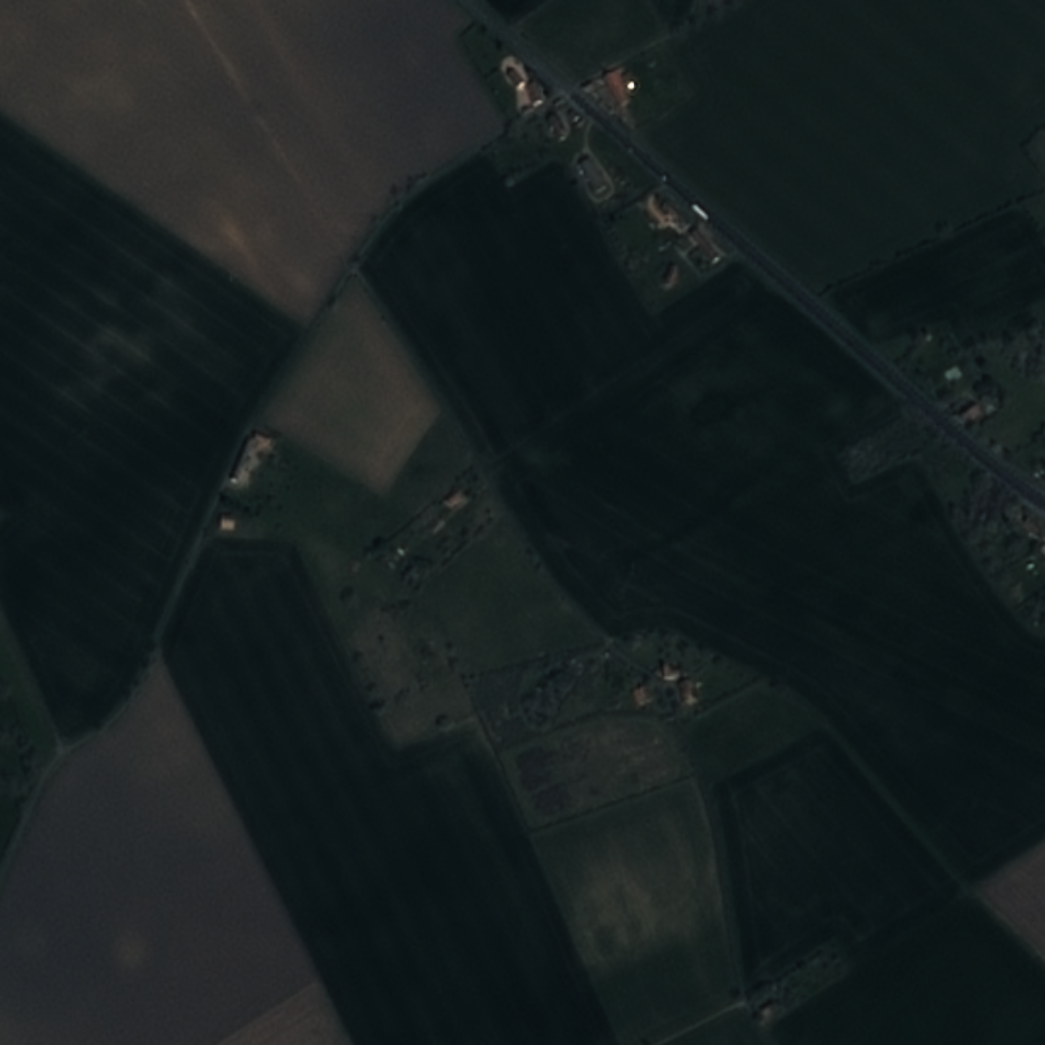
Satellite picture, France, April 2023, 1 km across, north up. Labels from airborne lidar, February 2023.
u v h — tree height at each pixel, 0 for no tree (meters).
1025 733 0
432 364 0
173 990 0
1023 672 0
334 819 0
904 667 0
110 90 0
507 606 0
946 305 0
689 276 0
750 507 0
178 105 0
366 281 0
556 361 0
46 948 0
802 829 0
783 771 0
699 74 0
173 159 0
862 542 0
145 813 0
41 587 0
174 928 0
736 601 0
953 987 0
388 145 0
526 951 0
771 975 0
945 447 16
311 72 0
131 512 0
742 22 0
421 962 0
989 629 0
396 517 0
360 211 0
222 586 0
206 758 0
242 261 0
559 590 0
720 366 0
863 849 0
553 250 0
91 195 0
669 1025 0
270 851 0
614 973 0
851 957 0
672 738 0
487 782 0
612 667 6
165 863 0
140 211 0
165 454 0
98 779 0
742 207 0
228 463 0
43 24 0
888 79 0
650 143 0
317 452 0
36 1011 0
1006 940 0
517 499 0
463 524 0
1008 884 0
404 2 0
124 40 0
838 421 0
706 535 0
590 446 0
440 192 0
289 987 0
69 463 0
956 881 0
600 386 0
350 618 0
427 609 0
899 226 0
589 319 0
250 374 0
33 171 0
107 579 0
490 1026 0
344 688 0
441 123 0
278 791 0
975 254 0
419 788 0
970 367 19
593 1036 0
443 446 0
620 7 0
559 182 0
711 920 0
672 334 0
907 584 0
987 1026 0
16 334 0
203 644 0
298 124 0
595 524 0
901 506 0
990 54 0
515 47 0
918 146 0
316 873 0
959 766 0
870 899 0
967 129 0
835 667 0
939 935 0
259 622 0
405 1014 0
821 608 0
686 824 0
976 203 0
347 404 0
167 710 0
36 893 0
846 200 0
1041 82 0
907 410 13
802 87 0
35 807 0
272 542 0
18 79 0
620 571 0
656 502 0
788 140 0
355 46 0
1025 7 0
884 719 0
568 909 0
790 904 0
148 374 0
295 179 0
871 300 0
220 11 0
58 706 0
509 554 0
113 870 0
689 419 0
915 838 0
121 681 0
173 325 0
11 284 0
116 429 0
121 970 0
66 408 0
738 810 0
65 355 0
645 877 0
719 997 0
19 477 0
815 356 0
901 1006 0
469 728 0
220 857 0
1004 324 0
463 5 0
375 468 0
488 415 0
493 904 0
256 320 0
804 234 0
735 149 0
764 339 0
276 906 0
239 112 0
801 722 0
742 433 0
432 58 0
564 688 12
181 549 0
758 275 0
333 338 0
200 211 0
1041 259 0
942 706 0
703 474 0
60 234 0
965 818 0
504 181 7
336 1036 0
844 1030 0
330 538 0
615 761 0
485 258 0
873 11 0
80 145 0
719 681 0
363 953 0
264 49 0
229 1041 0
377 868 0
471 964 0
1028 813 0
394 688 0
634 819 0
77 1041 0
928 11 0
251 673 0
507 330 0
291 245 0
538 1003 0
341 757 0
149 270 0
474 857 0
